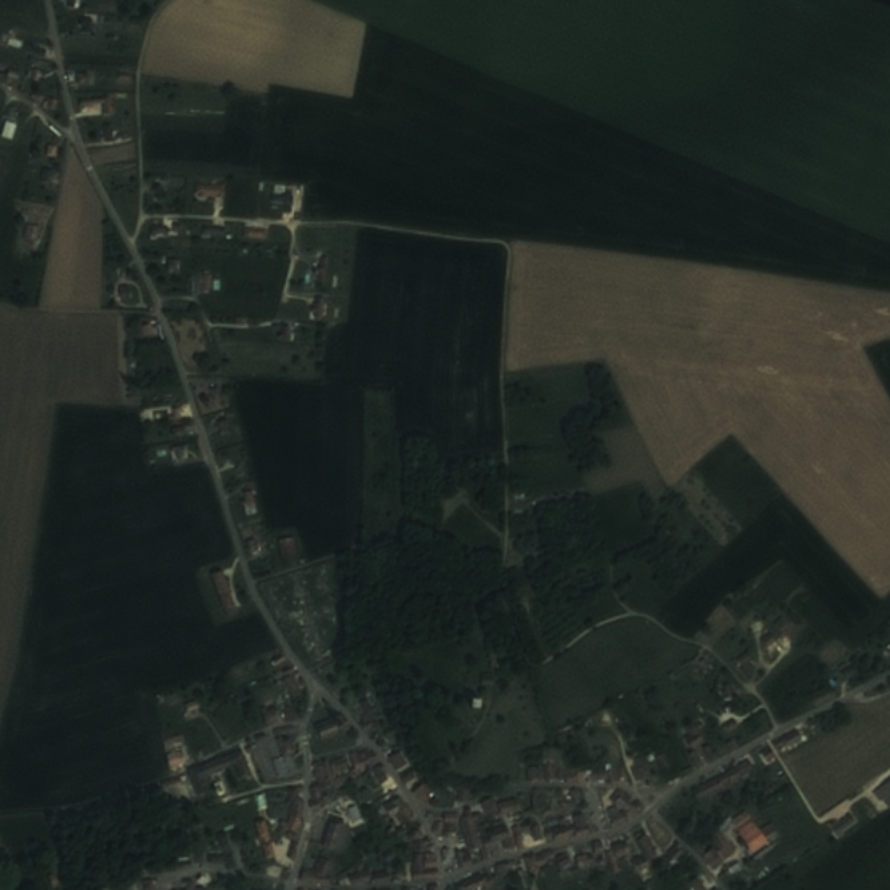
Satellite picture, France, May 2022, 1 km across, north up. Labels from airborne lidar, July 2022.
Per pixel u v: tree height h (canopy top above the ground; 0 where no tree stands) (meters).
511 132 0
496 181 0
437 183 0
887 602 0
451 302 0
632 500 0
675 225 0
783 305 0
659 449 0
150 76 0
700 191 0
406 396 0
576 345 0
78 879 22
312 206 0
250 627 0
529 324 0
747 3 0
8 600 0
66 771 0
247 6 0
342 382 0
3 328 0
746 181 0
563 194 0
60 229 0
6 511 0
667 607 0
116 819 25
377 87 0
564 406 0
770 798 8
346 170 0
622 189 0
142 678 0
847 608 0
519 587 14
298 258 0
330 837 0
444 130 0
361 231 0
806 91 0
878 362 0
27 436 0
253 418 0
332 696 0
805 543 0
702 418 0
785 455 0
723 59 0
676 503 8
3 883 32
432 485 17
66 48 0
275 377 0
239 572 0
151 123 0
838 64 0
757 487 0
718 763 0
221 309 0
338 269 0
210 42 0
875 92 0
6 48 0
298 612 0
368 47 0
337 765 0
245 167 0
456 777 12
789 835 0
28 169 0
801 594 0
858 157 0
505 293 0
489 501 8
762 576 0
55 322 0
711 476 0
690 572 12
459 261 0
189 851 13
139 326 8
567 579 7
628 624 0
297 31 0
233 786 9
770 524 0
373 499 0
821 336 0
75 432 0
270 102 0
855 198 0
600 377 17
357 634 23
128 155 0
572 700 0
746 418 0
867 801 0
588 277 0
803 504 0
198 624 0
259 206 0
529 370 0
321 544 0
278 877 0
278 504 0
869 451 0
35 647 0
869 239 0
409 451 15
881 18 0
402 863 16
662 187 0
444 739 0
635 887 0
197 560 0
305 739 0
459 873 0
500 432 0
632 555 12
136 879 14
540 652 10
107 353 0
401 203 0
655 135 0
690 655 0
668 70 0
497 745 0
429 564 20
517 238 0
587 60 0
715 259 0
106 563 0
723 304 0
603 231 0
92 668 0
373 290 0
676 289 0
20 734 0
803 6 0
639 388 0
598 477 0
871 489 0
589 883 8
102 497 0
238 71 0
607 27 0
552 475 0
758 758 0
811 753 0
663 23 0
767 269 0
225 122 0
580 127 0
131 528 0
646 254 0
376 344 0
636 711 0
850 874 0
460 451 0
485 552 14
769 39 0
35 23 0
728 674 9
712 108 0
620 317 0
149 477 0
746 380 0
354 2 0
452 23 0
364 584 20
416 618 20
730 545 0
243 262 0
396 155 0
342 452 0
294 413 0
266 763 0
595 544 17
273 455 0
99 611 0
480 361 0
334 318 0
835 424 0
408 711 22
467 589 24
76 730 0
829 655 0
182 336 0
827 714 6
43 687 0
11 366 0
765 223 0
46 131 0
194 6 0
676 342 0
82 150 0
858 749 0
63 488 0
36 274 0
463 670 0
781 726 0
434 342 0
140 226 0
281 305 0
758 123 0
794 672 0
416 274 0
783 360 0
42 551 0
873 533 0
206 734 0
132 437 0
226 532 0
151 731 0
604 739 0
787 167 0
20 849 0
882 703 0
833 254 0
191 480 0
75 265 0
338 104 0
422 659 0
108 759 0
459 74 0
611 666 0
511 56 0
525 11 0
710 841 12
